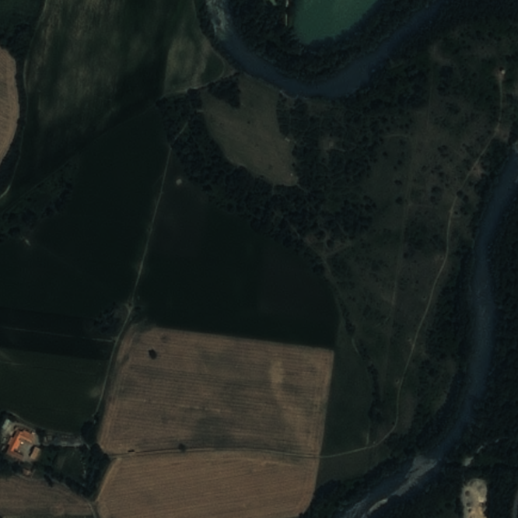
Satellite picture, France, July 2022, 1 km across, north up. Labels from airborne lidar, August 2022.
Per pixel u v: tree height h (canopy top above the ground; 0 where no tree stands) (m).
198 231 0
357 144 12
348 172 15
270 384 0
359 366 0
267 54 26
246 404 0
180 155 20
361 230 18
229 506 0
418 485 0
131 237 0
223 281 0
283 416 0
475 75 6
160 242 0
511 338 22
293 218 16
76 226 0
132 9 0
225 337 0
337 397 0
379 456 0
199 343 0
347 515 0
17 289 0
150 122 0
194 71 0
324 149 0
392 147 0
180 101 9
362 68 0
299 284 0
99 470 9
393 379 0
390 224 0
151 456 0
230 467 0
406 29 0
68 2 0
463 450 22
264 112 0
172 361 0
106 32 0
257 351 0
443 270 0
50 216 15
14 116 0
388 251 0
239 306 0
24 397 0
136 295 0
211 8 0
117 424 0
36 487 0
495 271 26
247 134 0
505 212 25
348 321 7
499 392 21
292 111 11
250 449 0
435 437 21
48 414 0
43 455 0
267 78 0
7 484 0
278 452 0
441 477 12
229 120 0
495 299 22
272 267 0
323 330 0
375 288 0
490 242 18
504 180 0
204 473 0
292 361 0
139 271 0
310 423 0
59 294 0
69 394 0
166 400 0
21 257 0
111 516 0
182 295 0
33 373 0
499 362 12
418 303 0
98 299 0
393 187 0
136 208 0
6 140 0
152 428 0
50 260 0
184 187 0
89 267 0
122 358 0
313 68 17
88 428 21
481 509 0
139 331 0
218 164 7
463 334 23
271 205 12
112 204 0
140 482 0
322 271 18
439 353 6
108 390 0
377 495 0
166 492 0
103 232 0
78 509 0
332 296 0
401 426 0
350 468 0
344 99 6
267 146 0
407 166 0
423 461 0
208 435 0
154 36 0
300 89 0
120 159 0
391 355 0
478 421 26
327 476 0
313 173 11
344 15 0
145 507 0
